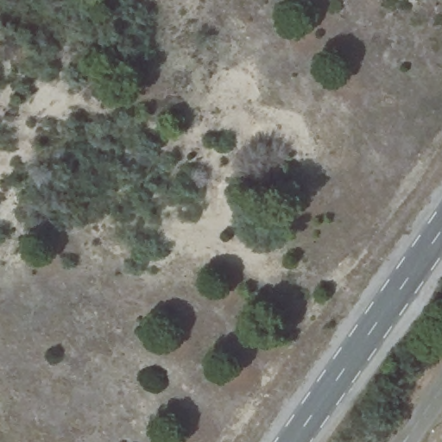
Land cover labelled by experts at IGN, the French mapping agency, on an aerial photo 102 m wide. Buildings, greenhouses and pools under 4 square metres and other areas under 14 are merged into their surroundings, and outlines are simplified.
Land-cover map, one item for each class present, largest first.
<instances>
[{"label":"herbaceous vegetation","instance_id":"1","mask_svg":"<svg viewBox=\"0 0 442 442\"><path fill-rule=\"evenodd\" d=\"M142 3L147 12L159 10L157 38H150V59L145 60L135 55V59L129 64L135 69L138 86L147 88V92L133 100L135 105L145 102L167 98L171 104L186 102L192 107L195 114L192 128L176 140H169L166 143L162 150L167 152L176 147H180L181 152L188 154L192 150L197 152L202 162L212 167V173L211 185L207 186L205 193L207 209L202 212L199 221H162V233L166 240H171L174 245L169 256L148 261V266L159 268L157 275L128 273L116 276L114 271L123 266L129 257V250L126 245H119L114 219L110 216H104L97 223L73 228L67 233L69 240L66 249L67 252L79 254L78 266H76V268H66V266L62 264V259H60L59 256H55L50 264L41 268L29 266L21 254H16L19 237L26 231L24 224L16 218L14 212L17 207L16 188H9L7 199L0 204V442H143L147 439L148 421L154 414L166 420V423H178L176 442H276L280 439L281 430L294 420L295 409L304 404L311 395L314 383L319 382L325 375L326 364L340 354L345 338L356 331L357 319L369 313L375 295L385 290L390 273L401 268L402 262L406 259L407 249L418 243L421 230L426 224L432 223L437 216V207L442 204V0H288L302 5L304 16L313 24V31L300 40H287L276 33L273 19V10L276 2L280 0H133ZM323 48L331 55H338L344 60L345 73L350 74L347 85L340 86L337 90H326L325 86L318 83L311 74L314 55L319 54ZM219 129H231L237 135L235 147L228 152L207 148L202 140L207 131ZM231 176H237L238 188L242 192L254 190L256 193H266L268 190H275L280 193L287 205L294 207L297 214L290 224V231H297L295 238L287 240L278 249L262 254H257L238 238H233L235 233L230 226L231 207L224 193ZM200 268L207 269V275L218 278L224 287L230 288V294L218 300L207 299L205 295L200 294L197 288ZM247 300L252 306L262 304L266 311H271L273 316H278L283 321V328L275 330V338H283L287 345L259 352L240 345L238 338L231 331L235 330L237 316L242 313ZM148 313L155 318H166L176 328L173 340L180 344L178 349L169 354H154L143 347L142 340L136 337V326L138 318L147 316ZM211 349L226 354L230 366H240V375L231 378L230 382L224 385L209 382L205 378L202 363L205 354ZM143 368L150 369V373H154L159 382L166 383L167 387L157 394L147 392L138 383V373ZM74 105L85 109L86 112L97 114H110L112 110L110 107H100V102L95 97L83 98L79 93L69 95L67 83L64 81H36L35 95L19 107V117L16 119L19 142L17 150H0V178L3 174L12 173L10 162L14 157H21L24 162L35 157L33 143L36 131L28 126L29 117L52 116L67 119ZM413 302L402 307L399 321L385 331L382 345L369 354L366 368L354 376L349 390L338 397L333 413L326 416L325 421L319 426V432L316 433L319 442H328L340 421L344 420L345 414L349 413L357 395L363 392L366 383L378 371L388 352L406 335L414 319L423 313L430 299L437 306L442 304V257L433 264L430 276L416 288ZM411 418L397 426V432L390 435L392 442H442V361L432 368L425 369V373L418 378L411 395Z\"/></svg>","mask_w":442,"mask_h":442},{"label":"deciduous trees","instance_id":"2","mask_svg":"<svg viewBox=\"0 0 442 442\"><path fill-rule=\"evenodd\" d=\"M5 12H9L12 16H22L35 24H45L48 29L54 31L55 38L60 40L62 45L66 40L71 41L73 60L69 66L73 67L76 73L73 81L93 79L100 92L104 93V98L133 100L147 92V88L138 86L135 69L129 64L135 59V55L145 60L150 59V38H157L159 10L147 12L142 3L133 0H0V19ZM273 19L276 33L287 40H300L313 31V24L304 16L302 5L288 0H280L276 2L273 10ZM311 74L318 83L325 86L326 90H337L340 86L347 85L350 74L345 73L344 60L338 55H331L323 48L319 54L314 55ZM195 114L192 107L186 102L171 104L167 98L145 102V107L138 110L135 117H129V124L135 126L138 131L140 124H147L148 128L159 133L166 143L169 140H176L192 128ZM202 140L207 148L228 152L235 147L237 135L231 129H219L207 131ZM224 193L231 207L230 226L235 233L233 238H238L257 254H262L278 249L287 240L295 238L297 231H290V224L297 214L294 207L287 205L280 193L275 190H268L266 193H256L254 190L242 192L238 188L237 176H231ZM69 240L67 233L57 230L54 224L48 221L36 224L26 231L19 237L16 254H21L29 266L41 268L50 264L55 256H59L62 250L66 249ZM197 288L200 294L205 295L207 299L218 300L230 294V288L224 287L218 278L207 275V269L200 268ZM442 361V304L437 306L430 299L423 313L414 319L406 335L388 352L378 371L366 383L363 392L357 395L349 413L345 414L344 420L340 421L328 442H392L390 435L397 432V426L411 418V395L418 378L425 373V369L432 368ZM283 328V321L278 316H273L271 311H266L262 304L252 306L247 300L242 313L237 316L235 330L231 331L238 338L240 345L259 352L287 345L283 338H275V330ZM176 328L166 318H155L148 313L147 316L138 318L136 326V337L142 340L143 347L154 354H169L178 349L180 344L173 340ZM205 378L209 382L224 385L230 382L231 378L240 375V366H230L226 354L211 349L205 354L202 363ZM138 383L147 392L157 394L167 387L166 383L159 382L154 373H150V369L143 368L138 373ZM178 423H166V420L154 414L148 421L147 439L143 442H176Z\"/></svg>","mask_w":442,"mask_h":442},{"label":"brushwood","instance_id":"3","mask_svg":"<svg viewBox=\"0 0 442 442\"><path fill-rule=\"evenodd\" d=\"M73 60L71 41L66 40L62 45L60 40L55 38L54 31L48 29L45 24H35L22 16H12L9 12H5L0 19V150H17L19 142L16 119L19 117V107L35 95L36 81H64L67 83L69 95L79 93L83 98L95 97L100 102V107H110L112 110L110 114H97L86 112L85 109L74 105L67 119L52 116L29 117L28 126L36 131L33 143L35 157L24 162L21 157H14L10 162L12 173L3 174L0 178V204L7 199L9 188H16L17 207L14 212L16 218L24 224L26 231L36 224L48 221L54 224L57 230L67 233L73 228L97 223L104 216H110L114 219L119 245H126L129 250V257L123 266L114 271L116 276L128 273L157 275L159 268L148 266V261L169 256L174 245L171 240H166L162 233V221H199L202 212L207 209L205 193L207 186L211 185L212 173V167L202 162L197 152L192 150L188 154L181 152L180 147H176L167 152L162 150L166 143L159 133L148 128L147 124H140L138 131L135 126L129 124V117H135L138 110L145 107V102L135 105L133 100L104 98V93L100 92L93 79L73 81L76 73L73 67L69 66ZM60 259H62V264L66 266V268H76V266H78L79 254L67 252L66 249L62 250L59 256Z\"/></svg>","mask_w":442,"mask_h":442},{"label":"impervious surface","instance_id":"4","mask_svg":"<svg viewBox=\"0 0 442 442\"><path fill-rule=\"evenodd\" d=\"M442 257V204L437 207V216L432 223L426 224L421 230L418 243L407 249L406 259L402 262L401 268L390 273L385 290L375 295L369 313L357 319L356 331L345 338L340 354L326 364L325 375L319 382L314 383L311 395L304 404L295 409L294 420L281 430L280 439L276 442H319L316 433L319 432V426L325 421L326 416L333 413L338 397L349 390L354 376L366 368L369 354L382 345L385 331L399 321L402 307L413 302L416 288L430 276L433 264Z\"/></svg>","mask_w":442,"mask_h":442}]
</instances>
